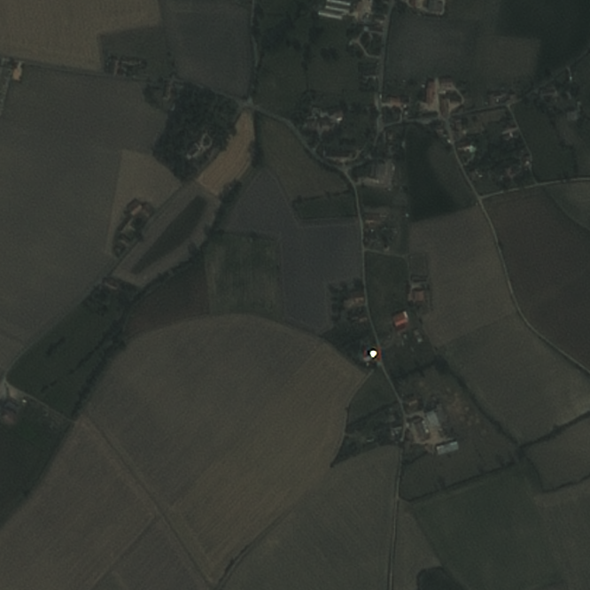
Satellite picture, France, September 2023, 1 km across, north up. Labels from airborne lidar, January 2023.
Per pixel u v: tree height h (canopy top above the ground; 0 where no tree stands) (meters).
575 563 0
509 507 0
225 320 0
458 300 0
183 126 8
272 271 0
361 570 0
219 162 0
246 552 0
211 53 0
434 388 0
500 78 0
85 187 0
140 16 0
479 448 0
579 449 0
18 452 0
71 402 0
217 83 0
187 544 0
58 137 0
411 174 0
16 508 0
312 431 0
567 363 0
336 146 0
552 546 0
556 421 0
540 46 0
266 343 0
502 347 0
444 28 0
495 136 0
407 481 0
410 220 0
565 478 0
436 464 0
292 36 0
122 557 0
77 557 0
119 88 0
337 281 0
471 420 0
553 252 0
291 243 0
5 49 0
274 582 0
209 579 0
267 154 0
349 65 0
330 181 0
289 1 0
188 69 0
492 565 0
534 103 7
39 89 0
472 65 0
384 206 0
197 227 0
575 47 0
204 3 0
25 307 0
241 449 0
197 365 0
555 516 0
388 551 0
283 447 0
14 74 0
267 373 0
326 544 0
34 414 0
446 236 0
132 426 0
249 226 0
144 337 0
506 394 0
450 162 0
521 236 0
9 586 0
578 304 0
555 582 0
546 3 0
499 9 0
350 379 0
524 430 0
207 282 0
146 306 0
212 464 0
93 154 0
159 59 0
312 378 0
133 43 0
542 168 0
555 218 0
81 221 0
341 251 0
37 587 0
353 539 0
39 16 0
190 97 15
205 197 0
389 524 0
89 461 0
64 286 0
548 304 0
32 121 0
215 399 0
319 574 0
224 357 0
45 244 0
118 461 0
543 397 0
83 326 0
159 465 0
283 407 0
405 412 11
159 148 11
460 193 0
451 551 0
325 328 0
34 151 0
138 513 0
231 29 0
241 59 0
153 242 0
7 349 0
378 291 0
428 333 0
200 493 0
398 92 0
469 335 0
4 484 0
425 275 0
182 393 0
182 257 0
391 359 0
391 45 0
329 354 0
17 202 0
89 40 0
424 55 0
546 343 0
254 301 0
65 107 0
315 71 0
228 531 0
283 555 0
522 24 0
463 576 0
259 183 0
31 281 0
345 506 0
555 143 0
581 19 0
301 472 0
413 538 0
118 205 0
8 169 0
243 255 0
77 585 0
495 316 0
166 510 0
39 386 0
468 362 0
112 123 0
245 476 0
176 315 0
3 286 0
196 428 0
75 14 0
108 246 0
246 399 0
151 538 0
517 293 0
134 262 0
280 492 0
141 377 0
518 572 0
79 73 0
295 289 0
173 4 0
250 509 0
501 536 0
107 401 0
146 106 0
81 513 0
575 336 0
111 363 0
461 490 0
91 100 0
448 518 0
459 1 0
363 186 8
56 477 0
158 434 0
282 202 0
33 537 0
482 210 0
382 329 0
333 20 0
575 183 0
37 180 0
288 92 0
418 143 0
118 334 15
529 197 0
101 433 0
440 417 0
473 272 0
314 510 0
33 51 0
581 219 0
